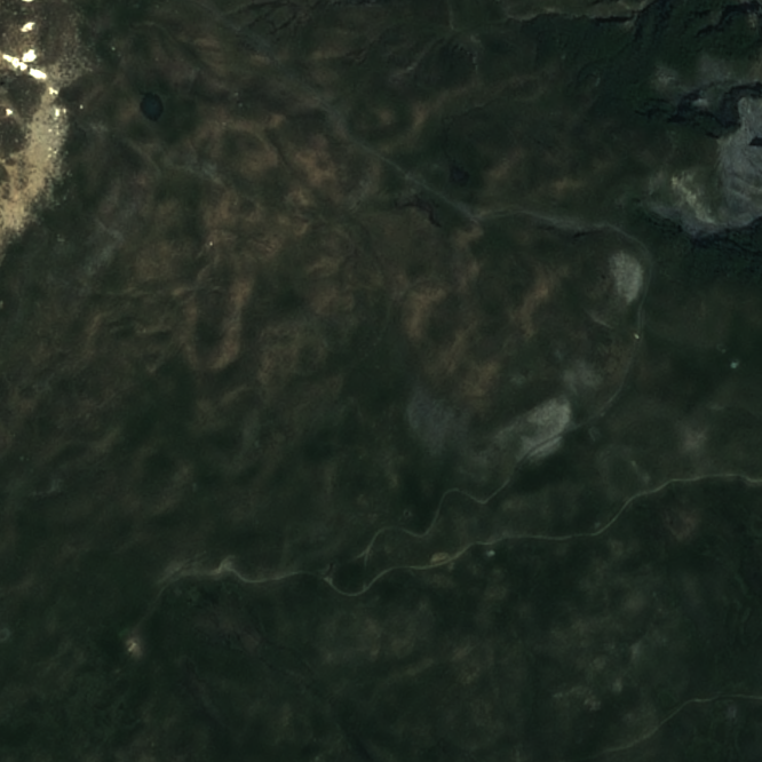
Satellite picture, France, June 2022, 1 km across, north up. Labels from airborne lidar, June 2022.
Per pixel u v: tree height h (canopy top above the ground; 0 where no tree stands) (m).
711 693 0
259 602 0
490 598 0
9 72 0
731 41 9
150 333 0
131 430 0
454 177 0
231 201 0
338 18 0
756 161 0
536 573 0
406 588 0
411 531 0
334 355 0
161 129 0
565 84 0
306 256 0
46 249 0
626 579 0
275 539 0
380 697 0
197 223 0
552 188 0
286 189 0
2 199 0
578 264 0
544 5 0
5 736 0
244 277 0
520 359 0
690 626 0
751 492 0
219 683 0
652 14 6
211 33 0
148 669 0
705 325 0
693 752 0
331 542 0
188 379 0
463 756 0
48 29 0
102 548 0
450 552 0
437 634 0
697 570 0
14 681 0
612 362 0
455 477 0
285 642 0
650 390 0
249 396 0
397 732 0
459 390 0
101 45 0
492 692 0
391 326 0
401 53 0
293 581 0
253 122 0
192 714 0
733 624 0
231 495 0
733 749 0
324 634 0
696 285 0
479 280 0
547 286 0
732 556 0
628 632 0
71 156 0
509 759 0
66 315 0
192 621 0
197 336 0
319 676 0
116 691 0
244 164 0
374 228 0
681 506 0
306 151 0
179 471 0
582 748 0
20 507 0
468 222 0
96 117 0
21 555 0
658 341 0
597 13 0
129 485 0
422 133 0
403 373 0
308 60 0
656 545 0
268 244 0
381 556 0
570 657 0
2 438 0
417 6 0
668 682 0
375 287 0
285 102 0
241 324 0
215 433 0
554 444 0
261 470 0
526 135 0
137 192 0
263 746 0
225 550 0
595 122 0
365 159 0
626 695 0
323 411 0
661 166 0
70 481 0
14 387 0
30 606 0
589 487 0
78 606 0
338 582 0
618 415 0
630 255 0
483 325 0
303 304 0
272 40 0
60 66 0
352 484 0
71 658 0
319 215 0
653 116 8
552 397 0
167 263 0
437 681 0
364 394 0
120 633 0
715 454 0
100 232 0
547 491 0
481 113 0
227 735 0
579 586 0
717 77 0
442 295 0
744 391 0
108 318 0
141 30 0
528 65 0
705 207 0
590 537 0
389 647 0
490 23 0
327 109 0
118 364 0
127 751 0
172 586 0
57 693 0
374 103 0
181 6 0
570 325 0
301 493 0
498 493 0
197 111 0
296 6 0
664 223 9
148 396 0
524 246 0
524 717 0
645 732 0
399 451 0
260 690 0
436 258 0
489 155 0
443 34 0
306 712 0
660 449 0
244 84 0
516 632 0
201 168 0
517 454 0
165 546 0
